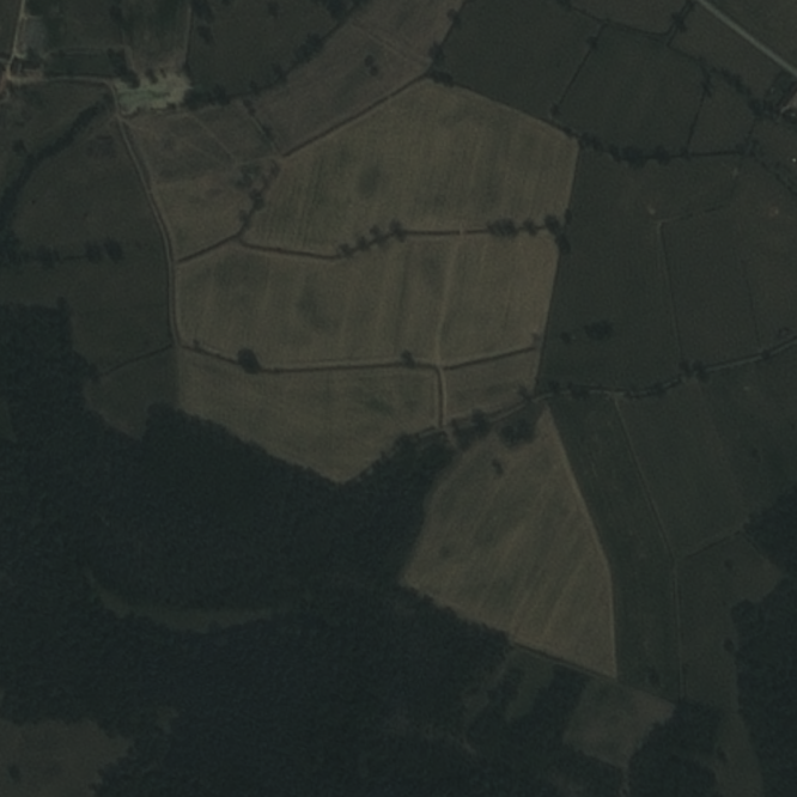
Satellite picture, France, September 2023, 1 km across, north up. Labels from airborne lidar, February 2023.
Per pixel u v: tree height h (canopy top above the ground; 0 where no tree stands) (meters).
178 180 0
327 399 0
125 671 21
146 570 15
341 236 0
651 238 0
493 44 0
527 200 0
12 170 0
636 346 0
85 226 0
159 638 20
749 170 0
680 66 0
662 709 0
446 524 0
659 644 0
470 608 0
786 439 0
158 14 0
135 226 0
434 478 0
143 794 8
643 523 0
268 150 0
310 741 22
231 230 0
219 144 0
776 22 0
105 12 0
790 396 0
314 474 11
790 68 0
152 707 17
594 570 0
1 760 0
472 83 0
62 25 0
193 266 0
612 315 0
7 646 17
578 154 0
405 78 0
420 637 10
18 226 0
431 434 0
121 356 0
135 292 0
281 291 0
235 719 25
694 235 0
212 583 17
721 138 0
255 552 11
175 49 0
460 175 0
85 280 0
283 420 0
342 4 18
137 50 0
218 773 9
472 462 0
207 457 16
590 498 0
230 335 0
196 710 25
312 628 19
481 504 0
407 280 0
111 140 0
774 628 17
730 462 0
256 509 16
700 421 0
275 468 17
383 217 0
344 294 0
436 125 0
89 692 19
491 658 18
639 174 0
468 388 0
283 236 0
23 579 15
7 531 9
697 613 0
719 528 0
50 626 24
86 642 23
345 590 10
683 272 0
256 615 0
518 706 0
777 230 0
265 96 0
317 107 0
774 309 0
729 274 0
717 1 0
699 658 0
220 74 0
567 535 0
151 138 0
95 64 0
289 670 24
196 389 0
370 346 0
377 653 23
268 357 0
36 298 0
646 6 0
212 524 17
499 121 0
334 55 0
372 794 19
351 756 19
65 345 14
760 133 0
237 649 16
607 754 0
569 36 0
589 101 0
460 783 20
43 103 0
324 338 0
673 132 0
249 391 0
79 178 0
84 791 0
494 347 0
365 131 0
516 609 0
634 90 0
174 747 17
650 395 8
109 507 21
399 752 16
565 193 0
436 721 7
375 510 6
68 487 15
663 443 0
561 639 0
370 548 10
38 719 9
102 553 16
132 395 0
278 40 0
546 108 0
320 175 0
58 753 0
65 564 14
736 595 0
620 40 0
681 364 0
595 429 0
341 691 19
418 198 0
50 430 13
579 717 0
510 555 0
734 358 0
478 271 0
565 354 0
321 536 18
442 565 0
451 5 0
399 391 0
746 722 16
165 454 16
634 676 0
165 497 19
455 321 0
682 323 0
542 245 0
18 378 18
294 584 15
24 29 0
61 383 12
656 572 0
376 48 0
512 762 14
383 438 0
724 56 0
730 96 0
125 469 16
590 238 0
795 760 22
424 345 0
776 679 21
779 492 0
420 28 0
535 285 0
